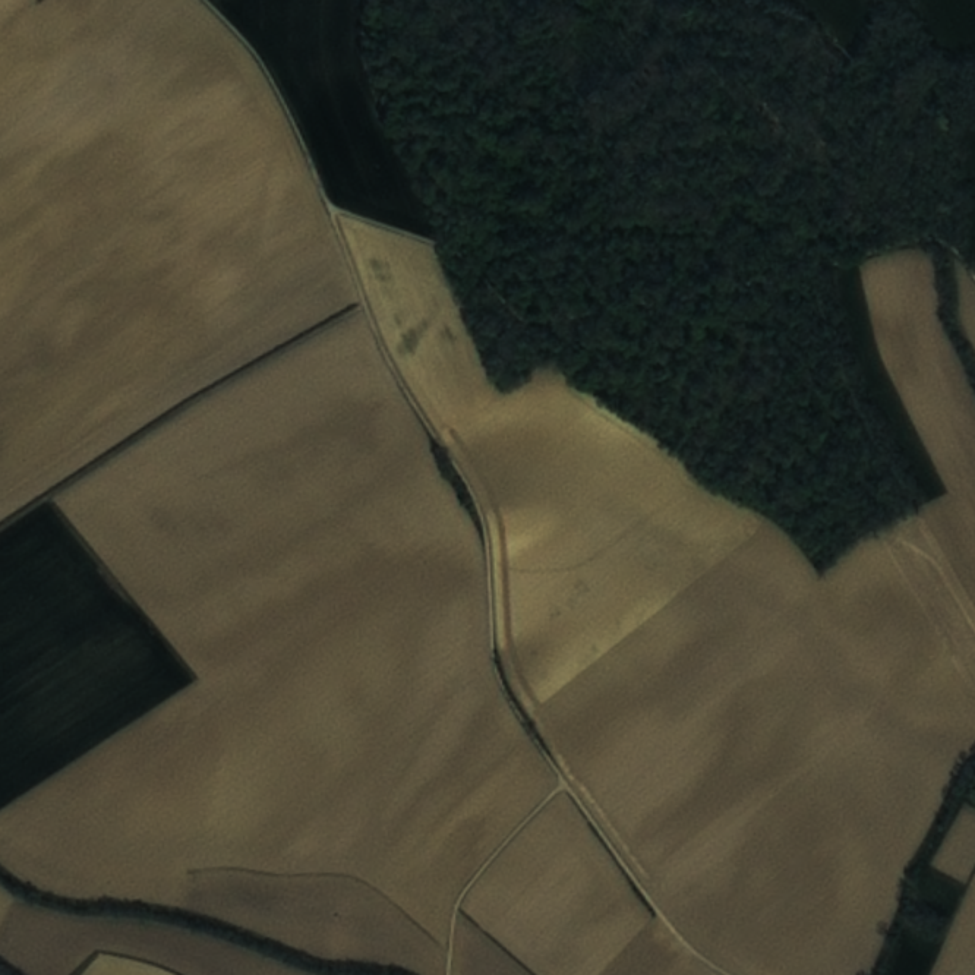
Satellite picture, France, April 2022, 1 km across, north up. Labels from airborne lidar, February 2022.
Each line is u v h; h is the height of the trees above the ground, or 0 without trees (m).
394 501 0
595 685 0
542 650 0
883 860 0
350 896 0
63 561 0
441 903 0
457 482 7
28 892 14
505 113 31
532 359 24
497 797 0
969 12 0
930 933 21
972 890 0
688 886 0
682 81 34
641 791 0
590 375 22
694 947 0
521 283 33
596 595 0
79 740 0
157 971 0
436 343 0
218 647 0
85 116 0
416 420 0
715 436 12
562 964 0
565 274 20
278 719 0
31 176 0
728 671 0
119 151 0
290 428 0
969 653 0
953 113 25
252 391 0
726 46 27
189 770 0
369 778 0
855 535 20
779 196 19
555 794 0
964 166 15
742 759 0
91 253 0
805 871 0
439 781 0
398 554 0
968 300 0
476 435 0
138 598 0
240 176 0
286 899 0
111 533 0
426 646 0
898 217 24
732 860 0
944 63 26
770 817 0
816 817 0
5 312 0
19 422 0
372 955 0
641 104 30
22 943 0
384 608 0
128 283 0
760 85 35
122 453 0
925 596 0
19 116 0
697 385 31
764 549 0
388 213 0
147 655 0
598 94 39
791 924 0
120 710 0
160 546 0
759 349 27
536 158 28
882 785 0
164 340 0
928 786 0
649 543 0
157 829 0
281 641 0
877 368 0
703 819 0
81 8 0
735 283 32
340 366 0
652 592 0
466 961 0
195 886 0
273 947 12
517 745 0
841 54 32
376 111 0
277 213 0
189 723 0
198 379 0
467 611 0
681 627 0
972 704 0
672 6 36
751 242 26
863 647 0
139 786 0
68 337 0
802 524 23
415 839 0
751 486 30
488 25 16
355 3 0
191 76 0
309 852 0
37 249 0
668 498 0
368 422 0
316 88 0
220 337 0
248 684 0
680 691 0
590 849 0
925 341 0
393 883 0
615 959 0
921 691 0
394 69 30
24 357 0
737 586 0
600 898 0
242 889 0
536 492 0
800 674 0
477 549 0
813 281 29
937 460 0
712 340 24
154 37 0
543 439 0
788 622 0
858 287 0
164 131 0
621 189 36
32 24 0
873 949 0
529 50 23
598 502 0
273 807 0
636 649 0
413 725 0
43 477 0
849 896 0
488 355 23
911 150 23
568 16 29
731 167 35
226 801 0
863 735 0
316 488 0
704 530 0
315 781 0
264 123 0
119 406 0
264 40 0
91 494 0
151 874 0
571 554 0
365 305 0
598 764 0
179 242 0
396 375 0
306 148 0
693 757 0
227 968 0
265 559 0
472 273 21
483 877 0
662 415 26
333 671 0
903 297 0
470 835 0
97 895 0
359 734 0
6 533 0
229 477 0
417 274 0
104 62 0
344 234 0
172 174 0
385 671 0
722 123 33
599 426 0
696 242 24
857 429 33
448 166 31
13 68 0
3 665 0
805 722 0
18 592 0
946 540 0
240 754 0
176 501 0
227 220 0
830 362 33
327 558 0
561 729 0
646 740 0
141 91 0
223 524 0
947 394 0
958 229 23
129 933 0
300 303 0
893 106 24
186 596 0
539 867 0
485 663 0
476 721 0
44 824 0
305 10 0
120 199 0
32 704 0
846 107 34
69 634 0
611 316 34
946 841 0
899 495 31
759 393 29
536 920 0
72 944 0
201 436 0
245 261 0
